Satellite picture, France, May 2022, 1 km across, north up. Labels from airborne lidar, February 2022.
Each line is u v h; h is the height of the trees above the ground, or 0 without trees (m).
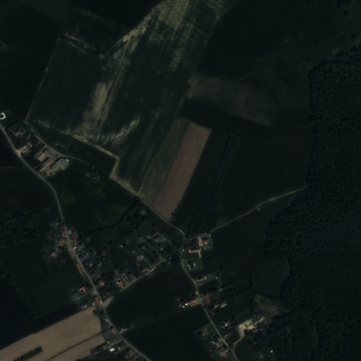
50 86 0
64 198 0
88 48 0
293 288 26
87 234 7
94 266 12
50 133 0
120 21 0
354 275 20
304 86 0
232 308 0
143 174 0
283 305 11
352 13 0
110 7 0
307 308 24
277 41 0
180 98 0
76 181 0
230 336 0
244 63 0
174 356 0
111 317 0
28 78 0
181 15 0
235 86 0
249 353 0
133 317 0
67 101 0
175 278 0
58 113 0
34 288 0
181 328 0
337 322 31
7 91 0
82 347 0
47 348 0
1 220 17
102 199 0
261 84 0
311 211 30
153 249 0
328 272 18
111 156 0
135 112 0
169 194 0
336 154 29
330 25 0
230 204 0
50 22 0
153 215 0
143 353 0
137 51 0
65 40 0
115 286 0
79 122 0
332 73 27
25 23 0
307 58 0
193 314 0
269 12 0
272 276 0
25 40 0
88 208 0
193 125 0
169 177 0
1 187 0
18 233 31
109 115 0
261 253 0
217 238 0
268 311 0
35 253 0
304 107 0
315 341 0
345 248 16
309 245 23
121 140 0
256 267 0
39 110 0
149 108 0
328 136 25
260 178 0
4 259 0
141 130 0
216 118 0
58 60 0
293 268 15
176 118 0
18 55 0
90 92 0
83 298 0
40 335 0
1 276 18
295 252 28
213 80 0
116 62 0
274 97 0
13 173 0
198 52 0
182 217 0
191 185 0
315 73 23
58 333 0
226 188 0
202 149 0
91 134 0
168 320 0
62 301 0
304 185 0
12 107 0
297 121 0
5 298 0
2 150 0
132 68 0
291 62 0
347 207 33
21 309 0
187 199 0
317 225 31
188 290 0
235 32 0
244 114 0
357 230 27
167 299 0
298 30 0
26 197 0
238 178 0
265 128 0
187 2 0
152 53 0
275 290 0
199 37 0
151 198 0
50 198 0
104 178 9
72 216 0
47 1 0
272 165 0
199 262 0
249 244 0
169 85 0
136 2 0
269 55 0
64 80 0
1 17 0
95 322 0
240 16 0
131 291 0
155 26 0
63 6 0
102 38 0
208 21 0
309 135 0
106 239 0
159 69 0
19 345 0
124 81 0
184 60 0
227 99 0
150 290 0
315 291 21
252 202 0
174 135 0
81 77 0
